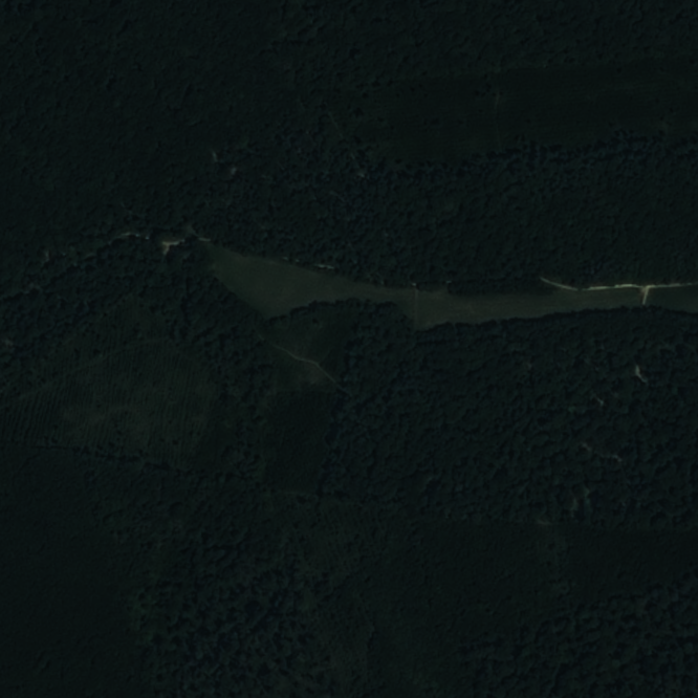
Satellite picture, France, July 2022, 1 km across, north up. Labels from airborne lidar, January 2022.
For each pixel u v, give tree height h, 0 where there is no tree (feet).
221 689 93
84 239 86
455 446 68
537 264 66
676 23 49
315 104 70
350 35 84
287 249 68
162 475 77
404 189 74
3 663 36
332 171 64
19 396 29
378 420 70
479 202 85
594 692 97
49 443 47
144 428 0
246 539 62
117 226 60
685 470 90
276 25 82
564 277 51
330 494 37
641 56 63
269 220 64
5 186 68
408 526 41
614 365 65
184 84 57
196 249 84
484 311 0
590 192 69
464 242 75
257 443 65
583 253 62
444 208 82
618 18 80
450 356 75
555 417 89
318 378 0
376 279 44
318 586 40
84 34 71
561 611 33
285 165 61
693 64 57
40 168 65
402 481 79
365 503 79
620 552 37
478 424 67
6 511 42
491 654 94
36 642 40
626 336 71
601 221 71
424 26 87
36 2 90
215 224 82
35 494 45
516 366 70
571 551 30
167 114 77
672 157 85
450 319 0
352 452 68
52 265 53
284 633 73
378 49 90
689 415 82
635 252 54
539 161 69
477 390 70
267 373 56
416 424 75
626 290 0
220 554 86
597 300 0
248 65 62
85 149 68
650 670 111
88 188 81
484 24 60
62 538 32
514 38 90
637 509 80
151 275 70
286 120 79
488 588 32
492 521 23
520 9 77
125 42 67
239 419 31
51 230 71
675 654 106
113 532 56
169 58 67
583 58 72
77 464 47
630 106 18
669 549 27
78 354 42
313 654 82
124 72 69
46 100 81
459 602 41
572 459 82
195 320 89
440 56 77
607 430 77
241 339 72
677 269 60
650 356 78
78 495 49
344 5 87
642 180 70
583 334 74
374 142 37
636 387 91
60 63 69
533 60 93
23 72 61
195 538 75
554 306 0
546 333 67
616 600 71
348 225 77
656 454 37
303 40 76
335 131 71
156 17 59
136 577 44
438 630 46
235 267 0
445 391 76
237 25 64
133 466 71
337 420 74
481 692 73
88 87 81
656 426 90
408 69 88
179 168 65
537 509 75
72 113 79
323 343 0
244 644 106
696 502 86
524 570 33
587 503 66
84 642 48
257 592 82
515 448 63
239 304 54
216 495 54
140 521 67
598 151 63
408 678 41
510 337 78
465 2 66
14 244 73
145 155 79
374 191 76
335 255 63
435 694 24
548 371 36
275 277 0
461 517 81
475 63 77
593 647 86
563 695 67
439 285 58
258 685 82
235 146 82
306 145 84
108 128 71
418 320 0
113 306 67
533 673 80
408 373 54
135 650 48
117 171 60
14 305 60
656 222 59
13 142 81
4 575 38
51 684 26
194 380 0
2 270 88
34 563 46
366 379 64
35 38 93
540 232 57
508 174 71
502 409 78
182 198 71
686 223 65
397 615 44
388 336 72
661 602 104
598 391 89
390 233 84
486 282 36
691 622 86
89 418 0
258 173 59
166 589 79
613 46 78
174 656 43
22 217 79
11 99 64
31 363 73
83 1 78
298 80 65
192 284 70
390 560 24
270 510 66
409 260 76
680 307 0
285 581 93
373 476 70
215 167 64
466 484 64
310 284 0
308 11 74
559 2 89
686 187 92
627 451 50
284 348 0
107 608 34
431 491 47
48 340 66
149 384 0
